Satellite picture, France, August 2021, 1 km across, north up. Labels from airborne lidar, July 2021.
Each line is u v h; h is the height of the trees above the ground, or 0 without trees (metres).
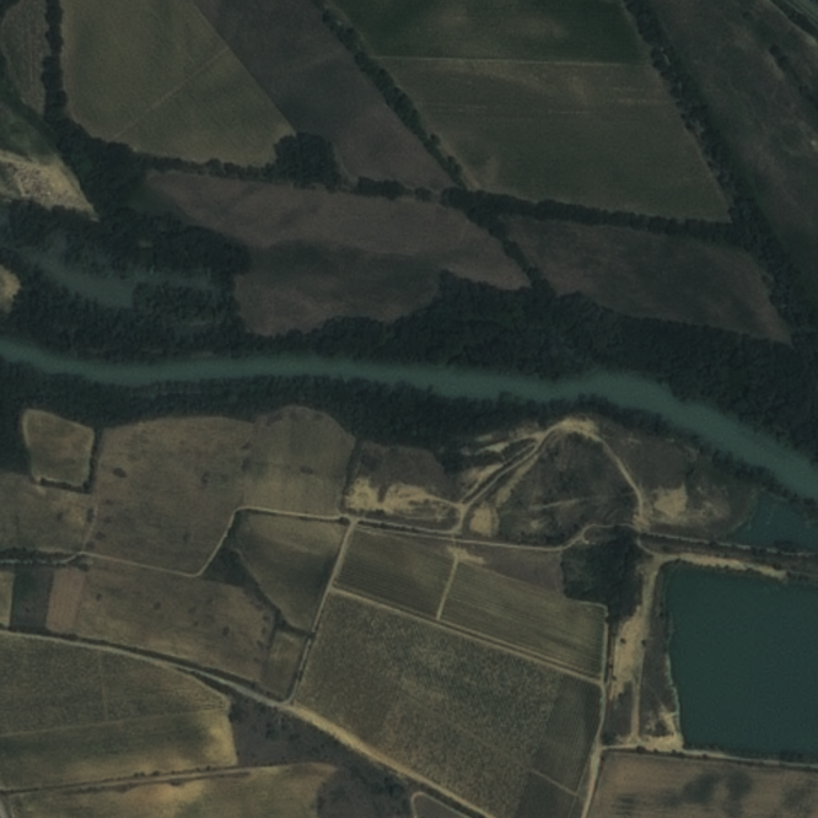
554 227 0
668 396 0
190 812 0
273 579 0
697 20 0
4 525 0
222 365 0
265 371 0
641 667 0
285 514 0
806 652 0
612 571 12
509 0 0
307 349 23
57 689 0
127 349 12
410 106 14
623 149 0
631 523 0
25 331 18
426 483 0
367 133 0
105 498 0
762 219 14
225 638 0
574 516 0
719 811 0
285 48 0
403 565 0
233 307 19
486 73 0
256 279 0
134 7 0
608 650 0
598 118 0
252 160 0
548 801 0
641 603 0
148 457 0
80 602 0
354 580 0
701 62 0
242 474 0
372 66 16
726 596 0
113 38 0
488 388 0
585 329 22
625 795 0
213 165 12
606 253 0
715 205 0
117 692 0
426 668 0
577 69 0
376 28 0
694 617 0
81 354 5
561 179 0
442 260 0
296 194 0
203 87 0
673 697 0
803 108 0
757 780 0
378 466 0
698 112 15
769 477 21
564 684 0
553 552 0
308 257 0
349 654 0
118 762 0
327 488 0
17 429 8
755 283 0
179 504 0
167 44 0
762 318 0
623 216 14
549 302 13
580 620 0
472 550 0
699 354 17
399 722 0
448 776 0
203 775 0
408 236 0
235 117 0
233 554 8
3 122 0
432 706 0
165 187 0
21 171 0
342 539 0
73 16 0
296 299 0
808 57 0
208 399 6
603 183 0
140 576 0
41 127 0
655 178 0
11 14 0
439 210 0
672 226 13
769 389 18
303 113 0
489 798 0
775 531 0
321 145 19
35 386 9
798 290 13
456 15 0
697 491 0
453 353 29
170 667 0
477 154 0
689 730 0
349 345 28
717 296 0
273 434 0
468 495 0
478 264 0
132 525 0
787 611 0
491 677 0
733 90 0
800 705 0
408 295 0
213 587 0
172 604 0
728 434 0
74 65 0
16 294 0
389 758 0
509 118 0
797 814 0
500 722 0
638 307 0
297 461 0
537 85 0
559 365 22
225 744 0
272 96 0
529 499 0
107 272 7
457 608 0
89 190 18
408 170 0
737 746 0
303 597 0
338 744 7
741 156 0
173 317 15
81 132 16
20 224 20
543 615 0
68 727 0
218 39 0
